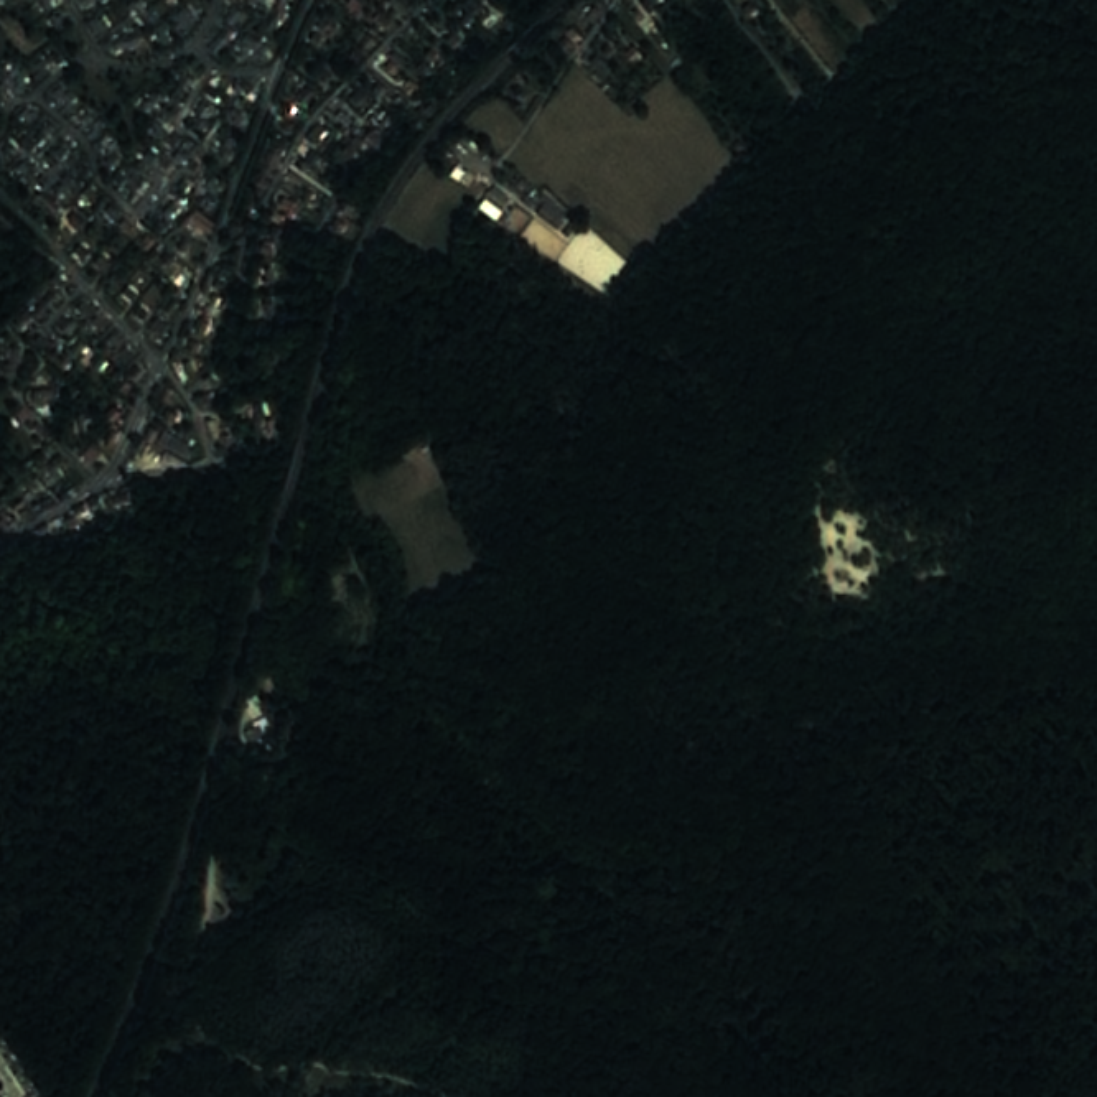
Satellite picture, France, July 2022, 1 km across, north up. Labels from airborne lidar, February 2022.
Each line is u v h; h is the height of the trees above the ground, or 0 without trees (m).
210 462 0
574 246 0
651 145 0
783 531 18
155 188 0
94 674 21
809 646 12
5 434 17
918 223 21
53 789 22
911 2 13
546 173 0
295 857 14
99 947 19
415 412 20
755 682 21
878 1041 22
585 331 21
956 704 20
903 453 17
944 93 19
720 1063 22
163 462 0
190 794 17
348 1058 15
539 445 16
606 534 16
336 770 12
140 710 19
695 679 18
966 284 8
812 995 26
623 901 20
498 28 0
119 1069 15
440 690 10
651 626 16
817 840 22
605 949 22
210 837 18
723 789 22
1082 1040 22
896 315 20
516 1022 19
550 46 9
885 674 23
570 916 18
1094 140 16
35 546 13
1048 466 19
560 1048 20
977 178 18
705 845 22
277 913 16
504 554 20
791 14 0
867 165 20
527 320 20
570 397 17
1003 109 22
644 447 18
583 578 22
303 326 21
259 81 0
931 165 18
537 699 20
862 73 15
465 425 19
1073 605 23
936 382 17
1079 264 18
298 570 21
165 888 12
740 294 23
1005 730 23
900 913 22
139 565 20
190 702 23
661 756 24
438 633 17
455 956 24
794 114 20
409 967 13
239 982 17
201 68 5
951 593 14
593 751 21
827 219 20
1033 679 21
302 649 27
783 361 21
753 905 8
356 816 21
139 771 17
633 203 0
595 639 19
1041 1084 22
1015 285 15
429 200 0
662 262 20
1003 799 23
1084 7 17
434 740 22
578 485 18
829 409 19
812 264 22
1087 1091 22
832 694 14
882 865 20
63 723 23
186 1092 15
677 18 7
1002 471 19
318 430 16
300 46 7
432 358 19
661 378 18
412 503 0
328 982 17
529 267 16
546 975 14
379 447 17
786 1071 31
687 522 17
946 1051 22
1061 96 20
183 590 18
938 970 24
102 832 17
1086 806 25
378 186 8
